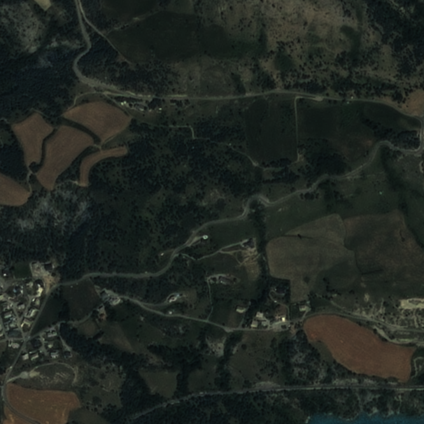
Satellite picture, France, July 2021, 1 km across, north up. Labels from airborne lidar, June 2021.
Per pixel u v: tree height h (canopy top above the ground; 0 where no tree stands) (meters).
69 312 13
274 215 0
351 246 0
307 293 0
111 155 0
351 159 0
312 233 0
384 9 11
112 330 0
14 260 12
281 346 9
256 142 0
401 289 0
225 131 8
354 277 0
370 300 0
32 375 0
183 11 0
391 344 0
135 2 0
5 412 0
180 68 0
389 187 0
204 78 0
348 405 8
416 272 0
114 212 7
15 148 7
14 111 7
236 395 12
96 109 0
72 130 0
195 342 0
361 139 0
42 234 12
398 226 0
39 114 0
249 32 0
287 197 0
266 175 0
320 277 0
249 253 0
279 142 0
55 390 0
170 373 0
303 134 0
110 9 0
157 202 0
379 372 0
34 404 0
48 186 0
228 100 0
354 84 7
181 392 16
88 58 9
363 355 0
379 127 15
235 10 0
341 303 0
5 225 6
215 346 0
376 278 0
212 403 9
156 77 6
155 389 0
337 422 0
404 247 0
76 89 0
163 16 0
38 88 6
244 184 6
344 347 0
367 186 0
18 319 0
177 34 0
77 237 11
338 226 0
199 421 13
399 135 9
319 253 0
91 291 0
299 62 0
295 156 0
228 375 6
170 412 8
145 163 6
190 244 0
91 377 0
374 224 0
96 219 8
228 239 0
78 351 9
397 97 10
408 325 0
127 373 8
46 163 0
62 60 9
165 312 9
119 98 11
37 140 0
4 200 0
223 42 0
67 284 0
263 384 0
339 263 0
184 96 0
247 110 0
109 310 6
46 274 0
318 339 0
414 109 0
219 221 0
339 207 0
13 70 14
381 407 9
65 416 0
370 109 0
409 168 0
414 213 0
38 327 0
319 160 11
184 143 7
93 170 8
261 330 0
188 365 12
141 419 6
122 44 0
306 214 0
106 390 0
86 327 0
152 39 0
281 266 0
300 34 0
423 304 0
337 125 0
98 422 0
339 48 0
